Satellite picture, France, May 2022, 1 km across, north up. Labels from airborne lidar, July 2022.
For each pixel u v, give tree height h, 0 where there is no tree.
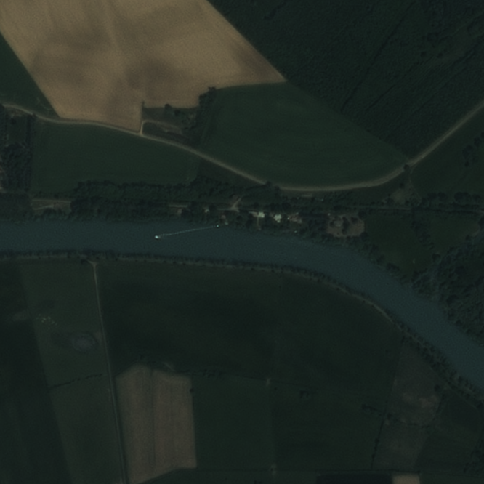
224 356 0
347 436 0
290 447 0
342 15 17
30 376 0
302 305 0
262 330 0
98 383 0
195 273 0
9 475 0
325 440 0
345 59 17
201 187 17
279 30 19
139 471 0
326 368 0
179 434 0
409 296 0
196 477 0
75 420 0
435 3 20
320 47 18
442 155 0
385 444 0
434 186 0
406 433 0
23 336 0
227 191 12
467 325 21
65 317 0
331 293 0
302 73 16
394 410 0
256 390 0
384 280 0
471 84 19
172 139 0
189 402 0
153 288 0
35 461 0
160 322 0
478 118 0
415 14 10
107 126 0
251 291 0
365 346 0
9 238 0
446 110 18
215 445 0
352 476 0
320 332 0
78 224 0
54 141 0
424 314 0
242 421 0
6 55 0
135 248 0
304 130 0
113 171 0
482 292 16
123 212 24
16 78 0
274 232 20
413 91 17
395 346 0
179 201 7
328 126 0
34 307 0
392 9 18
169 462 0
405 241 0
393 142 15
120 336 0
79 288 0
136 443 0
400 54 18
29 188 18
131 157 0
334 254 0
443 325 0
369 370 0
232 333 0
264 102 0
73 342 0
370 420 0
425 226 8
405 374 0
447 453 0
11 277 0
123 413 0
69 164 0
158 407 0
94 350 0
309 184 0
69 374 0
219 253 0
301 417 0
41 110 0
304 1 16
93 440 0
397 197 0
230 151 0
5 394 0
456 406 0
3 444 0
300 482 0
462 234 0
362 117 14
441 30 16
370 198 0
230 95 0
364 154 0
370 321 0
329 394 0
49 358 0
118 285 0
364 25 21
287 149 0
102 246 0
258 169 0
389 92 8
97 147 0
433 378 0
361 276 0
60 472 0
